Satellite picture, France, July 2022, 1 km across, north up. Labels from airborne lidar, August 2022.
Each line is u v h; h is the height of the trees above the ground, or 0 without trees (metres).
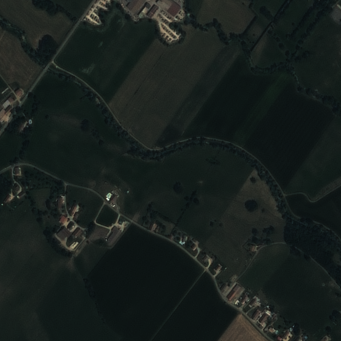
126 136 14
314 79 0
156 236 0
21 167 0
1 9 0
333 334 0
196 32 0
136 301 0
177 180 0
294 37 10
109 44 0
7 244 0
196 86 0
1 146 0
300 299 0
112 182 0
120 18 0
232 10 0
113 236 0
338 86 0
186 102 0
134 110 0
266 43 0
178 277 0
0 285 0
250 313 0
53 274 0
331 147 0
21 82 0
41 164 0
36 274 0
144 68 0
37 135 0
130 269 0
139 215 0
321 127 0
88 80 0
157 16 0
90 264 0
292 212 0
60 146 0
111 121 14
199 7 0
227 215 0
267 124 0
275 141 0
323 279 0
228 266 0
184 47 0
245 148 0
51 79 0
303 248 14
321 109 0
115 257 0
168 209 0
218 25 13
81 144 0
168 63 0
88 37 0
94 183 0
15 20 0
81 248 0
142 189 0
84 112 0
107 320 0
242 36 12
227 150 13
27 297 0
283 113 0
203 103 0
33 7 0
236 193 0
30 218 0
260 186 0
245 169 0
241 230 0
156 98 0
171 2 0
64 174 0
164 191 0
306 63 0
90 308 0
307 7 0
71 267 0
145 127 0
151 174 0
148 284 0
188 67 0
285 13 11
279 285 0
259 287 0
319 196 0
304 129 0
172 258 0
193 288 0
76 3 0
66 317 0
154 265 0
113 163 0
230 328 0
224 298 0
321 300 0
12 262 0
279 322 0
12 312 0
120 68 0
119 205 0
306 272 0
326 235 16
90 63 0
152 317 0
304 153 0
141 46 0
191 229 0
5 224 0
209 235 0
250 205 21
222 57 0
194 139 12
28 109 0
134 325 0
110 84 0
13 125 12
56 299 0
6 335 0
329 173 0
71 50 0
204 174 0
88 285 13
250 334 0
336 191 0
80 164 0
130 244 0
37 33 0
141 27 0
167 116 0
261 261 0
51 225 0
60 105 0
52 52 13
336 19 0
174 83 0
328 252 15
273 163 0
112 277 0
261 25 0
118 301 0
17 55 0
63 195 6
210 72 0
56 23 0
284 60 0
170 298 0
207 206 0
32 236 0
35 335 0
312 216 0
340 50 0
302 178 0
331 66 0
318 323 0
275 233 7
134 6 0
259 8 0
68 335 0
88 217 0
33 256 0
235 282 0
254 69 12
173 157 0
